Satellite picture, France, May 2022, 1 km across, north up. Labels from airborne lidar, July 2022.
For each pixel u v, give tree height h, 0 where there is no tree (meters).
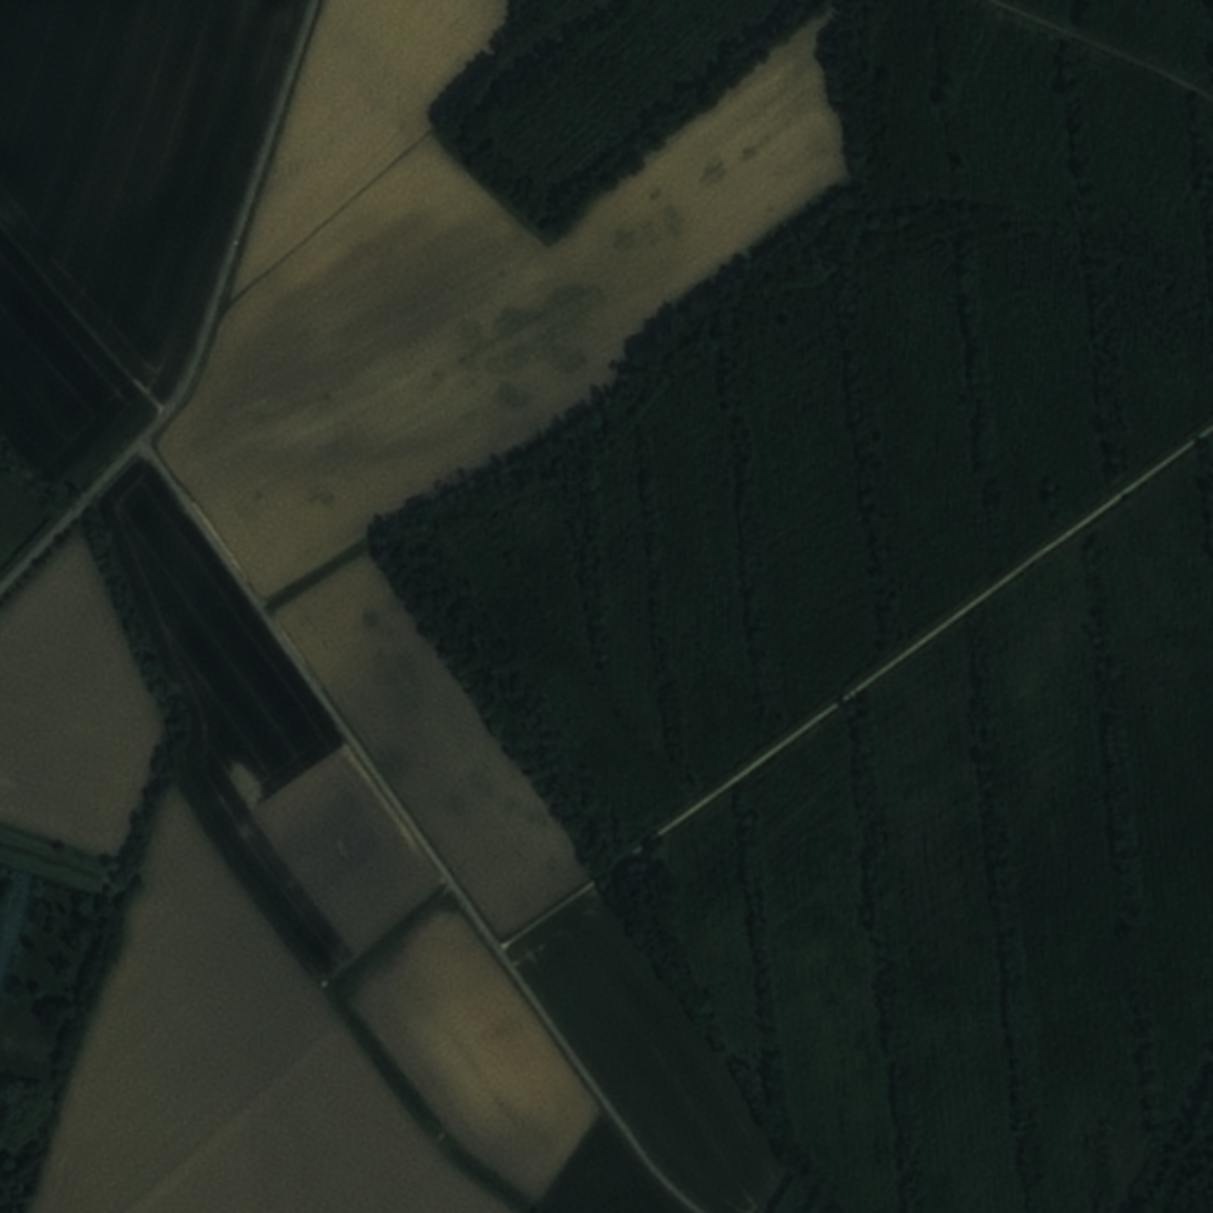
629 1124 0
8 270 0
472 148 20
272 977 0
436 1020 0
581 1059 0
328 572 0
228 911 0
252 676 0
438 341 0
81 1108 0
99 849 0
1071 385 6
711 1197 0
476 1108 0
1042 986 6
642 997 0
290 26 0
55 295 0
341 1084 0
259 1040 0
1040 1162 7
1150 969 7
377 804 0
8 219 0
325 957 0
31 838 0
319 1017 0
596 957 0
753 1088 21
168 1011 0
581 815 20
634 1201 0
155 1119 0
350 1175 0
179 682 0
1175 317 9
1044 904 7
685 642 6
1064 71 23
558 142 7
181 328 0
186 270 0
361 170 0
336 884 0
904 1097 20
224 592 0
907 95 6
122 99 0
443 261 0
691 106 19
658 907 32
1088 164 11
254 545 0
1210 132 16
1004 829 22
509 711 20
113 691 0
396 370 0
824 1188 24
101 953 14
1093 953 8
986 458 18
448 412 0
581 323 0
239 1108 0
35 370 0
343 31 0
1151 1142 22
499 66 9
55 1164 0
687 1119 0
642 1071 0
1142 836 7
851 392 18
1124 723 6
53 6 0
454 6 0
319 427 0
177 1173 0
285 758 0
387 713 0
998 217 8
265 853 0
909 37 8
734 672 7
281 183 0
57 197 0
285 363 0
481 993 0
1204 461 12
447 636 22
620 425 19
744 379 6
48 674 0
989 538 6
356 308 0
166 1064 0
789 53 0
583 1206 0
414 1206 0
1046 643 0
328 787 0
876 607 7
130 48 0
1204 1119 18
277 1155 0
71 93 0
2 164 0
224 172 0
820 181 0
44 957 0
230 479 0
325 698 0
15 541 0
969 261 20
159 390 0
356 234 0
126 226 0
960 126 6
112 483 0
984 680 19
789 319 8
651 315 0
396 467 0
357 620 0
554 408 0
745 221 0
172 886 0
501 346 0
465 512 9
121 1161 0
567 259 0
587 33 23
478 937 0
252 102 0
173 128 0
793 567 6
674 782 7
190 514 0
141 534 0
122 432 0
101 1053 0
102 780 0
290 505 0
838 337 7
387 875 0
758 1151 0
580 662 13
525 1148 0
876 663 7
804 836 7
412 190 0
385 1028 0
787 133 0
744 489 19
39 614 0
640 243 0
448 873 0
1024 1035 21
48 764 0
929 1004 6
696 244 0
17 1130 27
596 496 21
